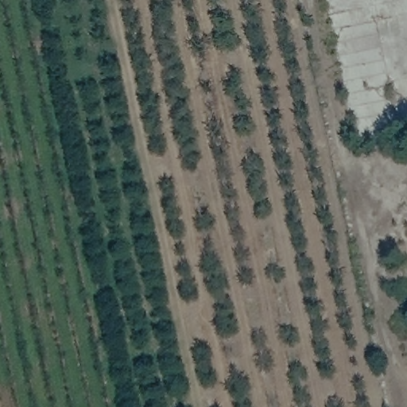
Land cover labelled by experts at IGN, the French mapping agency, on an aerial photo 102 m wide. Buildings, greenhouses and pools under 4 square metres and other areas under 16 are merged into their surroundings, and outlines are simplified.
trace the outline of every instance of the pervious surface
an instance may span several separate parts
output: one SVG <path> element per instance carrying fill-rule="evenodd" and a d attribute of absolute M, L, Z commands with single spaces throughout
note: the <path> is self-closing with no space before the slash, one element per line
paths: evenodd
<path fill-rule="evenodd" d="M 134 130 L 135 153 L 140 165 L 153 153 L 148 149 L 148 135 L 141 121 L 137 83 L 127 48 L 126 27 L 121 16 L 121 0 L 105 0 L 108 29 L 116 43 L 116 56 L 121 64 L 122 84 L 129 107 L 130 126 Z"/>

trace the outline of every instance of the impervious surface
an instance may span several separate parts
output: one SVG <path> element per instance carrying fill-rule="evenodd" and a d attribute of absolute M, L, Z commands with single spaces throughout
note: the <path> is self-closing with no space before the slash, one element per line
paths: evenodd
<path fill-rule="evenodd" d="M 359 132 L 380 132 L 396 119 L 404 119 L 407 122 L 407 0 L 328 0 L 329 16 L 334 30 L 337 35 L 337 52 L 342 64 L 342 81 L 343 86 L 347 87 L 347 103 L 350 110 L 355 113 L 356 129 Z"/>

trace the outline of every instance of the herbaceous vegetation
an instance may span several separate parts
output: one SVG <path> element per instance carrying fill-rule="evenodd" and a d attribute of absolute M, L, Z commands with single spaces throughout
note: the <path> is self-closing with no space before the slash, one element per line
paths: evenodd
<path fill-rule="evenodd" d="M 124 165 L 124 153 L 116 143 L 111 143 L 108 159 L 111 167 L 116 169 Z"/>
<path fill-rule="evenodd" d="M 19 199 L 11 199 L 11 202 L 5 202 L 5 207 L 0 208 L 0 219 L 14 219 L 14 216 L 24 210 L 24 205 Z"/>
<path fill-rule="evenodd" d="M 391 157 L 385 157 L 380 153 L 353 156 L 339 137 L 340 121 L 345 118 L 345 111 L 350 110 L 347 103 L 347 87 L 343 86 L 342 81 L 342 64 L 337 52 L 334 56 L 329 56 L 326 46 L 323 45 L 326 35 L 334 30 L 329 16 L 328 0 L 285 0 L 286 19 L 291 27 L 289 38 L 296 46 L 300 81 L 304 84 L 305 103 L 308 108 L 308 124 L 312 129 L 313 146 L 318 151 L 316 167 L 323 172 L 323 176 L 318 180 L 310 180 L 307 161 L 302 154 L 304 143 L 296 130 L 293 97 L 288 89 L 288 72 L 278 48 L 272 0 L 259 0 L 262 29 L 266 33 L 267 59 L 258 60 L 254 64 L 250 54 L 250 41 L 243 30 L 245 17 L 240 10 L 240 0 L 221 0 L 219 6 L 229 11 L 234 19 L 234 30 L 240 38 L 240 45 L 229 51 L 216 49 L 215 45 L 205 45 L 205 56 L 197 57 L 191 48 L 191 32 L 186 17 L 197 17 L 199 37 L 205 32 L 211 32 L 213 25 L 208 14 L 208 0 L 172 0 L 172 21 L 175 25 L 173 40 L 178 46 L 183 62 L 183 84 L 189 89 L 189 110 L 192 114 L 192 124 L 197 130 L 197 146 L 200 153 L 196 170 L 188 170 L 183 169 L 181 165 L 180 149 L 173 137 L 170 107 L 162 83 L 162 65 L 154 46 L 149 0 L 134 0 L 134 8 L 140 13 L 145 51 L 148 52 L 153 65 L 153 92 L 159 95 L 159 113 L 165 138 L 165 153 L 161 156 L 153 153 L 140 165 L 148 189 L 154 232 L 159 242 L 178 350 L 183 361 L 184 374 L 189 382 L 188 396 L 181 404 L 183 407 L 231 407 L 232 397 L 226 390 L 229 364 L 235 364 L 237 370 L 243 372 L 250 380 L 250 399 L 253 407 L 291 407 L 294 404 L 293 388 L 288 380 L 288 366 L 291 361 L 300 361 L 307 369 L 307 378 L 300 380 L 300 386 L 307 388 L 312 396 L 310 407 L 353 407 L 356 399 L 355 388 L 351 383 L 353 375 L 361 375 L 370 407 L 407 407 L 407 337 L 404 340 L 397 339 L 396 334 L 388 328 L 388 320 L 399 304 L 394 297 L 386 296 L 385 291 L 378 285 L 378 280 L 382 277 L 399 278 L 407 275 L 407 264 L 399 269 L 386 270 L 378 264 L 378 256 L 385 256 L 394 246 L 407 254 L 407 162 L 397 164 Z M 277 87 L 278 110 L 281 113 L 280 127 L 288 140 L 286 153 L 291 157 L 293 176 L 293 181 L 286 186 L 281 186 L 278 181 L 277 165 L 273 162 L 269 124 L 261 100 L 261 81 L 256 75 L 258 67 L 269 68 L 273 73 L 270 87 Z M 238 72 L 242 78 L 240 84 L 243 94 L 246 95 L 246 99 L 250 99 L 250 108 L 235 107 L 234 100 L 224 92 L 224 86 L 231 84 L 235 73 Z M 250 114 L 256 124 L 254 132 L 238 135 L 234 130 L 234 114 Z M 211 116 L 216 116 L 223 122 L 221 132 L 226 135 L 229 145 L 226 153 L 229 156 L 232 186 L 237 191 L 240 226 L 245 231 L 243 246 L 250 251 L 248 267 L 253 270 L 253 283 L 250 285 L 243 285 L 237 277 L 234 238 L 224 215 L 224 199 L 219 191 L 215 157 L 211 153 L 208 138 L 207 121 Z M 246 189 L 246 176 L 242 170 L 242 159 L 246 156 L 246 149 L 253 149 L 264 162 L 267 199 L 272 207 L 270 215 L 266 218 L 254 216 L 254 202 Z M 165 227 L 165 215 L 161 205 L 162 192 L 159 189 L 161 176 L 173 178 L 176 205 L 180 207 L 180 219 L 184 224 L 184 234 L 180 237 L 172 237 Z M 324 258 L 324 231 L 316 218 L 316 203 L 312 196 L 312 191 L 316 188 L 323 188 L 326 192 L 332 215 L 332 227 L 337 232 L 339 267 L 342 269 L 343 291 L 350 307 L 351 334 L 356 339 L 355 348 L 348 347 L 343 340 L 343 329 L 340 328 L 335 316 L 337 305 L 334 300 L 334 285 L 329 278 L 328 262 Z M 296 251 L 286 226 L 286 192 L 294 192 L 299 202 L 300 221 L 307 238 L 307 256 L 312 259 L 315 270 L 313 280 L 316 288 L 313 289 L 300 291 L 300 277 L 294 261 Z M 215 224 L 210 229 L 197 231 L 194 216 L 199 219 L 208 211 L 215 218 Z M 234 304 L 238 326 L 237 332 L 229 337 L 219 337 L 216 334 L 213 324 L 215 302 L 208 293 L 207 286 L 203 283 L 203 273 L 200 272 L 200 253 L 205 235 L 210 235 L 215 253 L 226 270 L 229 296 Z M 348 256 L 347 240 L 351 237 L 358 238 L 359 251 L 362 254 L 361 266 L 366 267 L 366 281 L 372 293 L 367 297 L 366 307 L 374 308 L 374 334 L 367 334 L 362 326 L 361 304 L 356 294 L 355 278 Z M 192 277 L 196 280 L 197 299 L 183 300 L 178 293 L 180 275 L 175 267 L 180 261 L 189 262 Z M 267 278 L 266 266 L 270 262 L 285 269 L 285 277 L 278 283 L 273 281 L 273 278 Z M 324 337 L 328 339 L 334 364 L 334 374 L 329 378 L 321 377 L 320 370 L 316 369 L 318 358 L 312 347 L 312 329 L 305 310 L 305 297 L 316 297 L 320 300 L 321 316 L 323 320 L 328 321 Z M 280 324 L 293 324 L 299 332 L 299 340 L 293 345 L 283 342 L 278 335 Z M 256 328 L 262 328 L 266 332 L 267 348 L 273 359 L 272 369 L 259 369 L 254 362 L 251 329 Z M 200 385 L 196 364 L 192 358 L 191 347 L 197 339 L 205 340 L 211 348 L 211 366 L 216 372 L 216 382 L 208 388 Z M 388 364 L 383 374 L 374 375 L 367 366 L 366 359 L 380 350 L 385 351 Z"/>
<path fill-rule="evenodd" d="M 126 337 L 124 340 L 127 353 L 138 356 L 157 353 L 159 342 L 153 331 L 149 332 L 149 342 L 143 348 L 135 348 L 132 339 Z"/>

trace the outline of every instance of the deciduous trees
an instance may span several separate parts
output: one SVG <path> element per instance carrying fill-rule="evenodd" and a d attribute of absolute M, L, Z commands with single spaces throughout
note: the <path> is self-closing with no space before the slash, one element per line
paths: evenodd
<path fill-rule="evenodd" d="M 283 342 L 293 345 L 299 340 L 299 332 L 293 324 L 280 324 L 278 335 Z"/>
<path fill-rule="evenodd" d="M 234 238 L 237 277 L 243 285 L 250 285 L 253 283 L 253 270 L 248 267 L 250 251 L 243 246 L 245 231 L 240 226 L 237 191 L 232 186 L 229 156 L 226 153 L 229 145 L 226 135 L 221 132 L 223 122 L 216 116 L 211 116 L 207 121 L 208 138 L 211 153 L 215 157 L 219 191 L 224 199 L 224 215 Z"/>
<path fill-rule="evenodd" d="M 197 339 L 191 347 L 192 358 L 196 364 L 200 385 L 208 388 L 216 382 L 216 372 L 211 366 L 211 348 L 205 340 Z"/>
<path fill-rule="evenodd" d="M 111 143 L 116 143 L 124 153 L 124 165 L 116 169 L 111 167 L 108 159 Z M 178 350 L 159 242 L 154 232 L 148 189 L 140 165 L 135 153 L 134 130 L 130 126 L 129 107 L 122 84 L 121 64 L 116 56 L 116 43 L 108 29 L 105 0 L 0 0 L 0 208 L 5 207 L 5 202 L 11 202 L 11 199 L 19 199 L 24 205 L 24 210 L 14 216 L 14 219 L 0 219 L 0 407 L 183 407 L 181 404 L 188 396 L 189 382 L 184 374 L 183 361 Z M 143 348 L 149 342 L 149 332 L 153 331 L 159 342 L 157 353 L 138 356 L 127 353 L 124 340 L 126 337 L 132 339 L 135 348 Z"/>
<path fill-rule="evenodd" d="M 356 294 L 361 304 L 362 326 L 367 334 L 374 334 L 374 308 L 366 307 L 367 297 L 372 293 L 366 281 L 366 267 L 361 266 L 362 254 L 359 251 L 358 238 L 351 237 L 347 240 L 348 256 L 355 278 Z"/>
<path fill-rule="evenodd" d="M 208 14 L 213 25 L 211 32 L 205 32 L 199 37 L 197 17 L 186 17 L 191 32 L 191 48 L 197 57 L 205 56 L 205 45 L 215 45 L 216 49 L 229 51 L 240 45 L 240 38 L 234 30 L 234 19 L 229 11 L 219 6 L 221 0 L 208 0 Z"/>
<path fill-rule="evenodd" d="M 197 231 L 210 229 L 215 224 L 215 218 L 208 211 L 199 219 L 194 216 Z"/>
<path fill-rule="evenodd" d="M 256 328 L 251 329 L 254 362 L 259 369 L 272 369 L 273 359 L 267 348 L 266 332 L 262 328 Z"/>
<path fill-rule="evenodd" d="M 374 375 L 383 374 L 388 364 L 385 351 L 380 350 L 366 359 L 367 366 Z"/>
<path fill-rule="evenodd" d="M 334 30 L 326 35 L 323 45 L 326 46 L 329 56 L 334 56 L 337 52 L 337 35 Z"/>
<path fill-rule="evenodd" d="M 399 304 L 388 320 L 388 328 L 396 334 L 397 339 L 404 340 L 407 337 L 407 275 L 399 278 L 382 277 L 378 280 L 378 285 L 385 291 L 386 296 L 394 297 Z"/>
<path fill-rule="evenodd" d="M 355 388 L 356 399 L 353 407 L 370 407 L 361 375 L 353 375 L 351 383 Z"/>
<path fill-rule="evenodd" d="M 246 149 L 246 156 L 242 159 L 242 170 L 246 176 L 246 189 L 254 202 L 254 216 L 266 218 L 270 215 L 272 207 L 267 199 L 264 162 L 253 149 Z"/>
<path fill-rule="evenodd" d="M 291 157 L 286 153 L 288 140 L 280 127 L 281 113 L 278 110 L 277 87 L 270 87 L 273 73 L 269 68 L 258 67 L 256 75 L 261 81 L 261 100 L 269 124 L 273 162 L 277 165 L 278 181 L 281 186 L 286 186 L 293 181 L 293 176 Z"/>
<path fill-rule="evenodd" d="M 324 337 L 328 321 L 323 320 L 321 316 L 320 300 L 316 297 L 305 297 L 305 310 L 312 329 L 312 347 L 318 358 L 316 369 L 320 370 L 321 377 L 329 378 L 334 374 L 334 364 L 328 339 Z"/>
<path fill-rule="evenodd" d="M 397 164 L 407 162 L 407 122 L 404 119 L 396 119 L 380 132 L 359 132 L 356 129 L 355 113 L 350 110 L 345 111 L 345 118 L 340 121 L 339 137 L 353 156 L 380 153 L 385 157 L 391 157 Z"/>
<path fill-rule="evenodd" d="M 234 100 L 235 107 L 250 108 L 250 99 L 246 99 L 246 95 L 243 94 L 240 84 L 242 78 L 238 72 L 235 73 L 231 84 L 224 86 L 224 92 Z"/>
<path fill-rule="evenodd" d="M 237 332 L 238 326 L 234 304 L 229 296 L 226 270 L 215 253 L 210 235 L 205 235 L 200 253 L 200 272 L 203 273 L 203 283 L 207 286 L 208 293 L 215 302 L 213 324 L 216 334 L 219 337 L 229 337 Z"/>
<path fill-rule="evenodd" d="M 137 83 L 141 121 L 148 135 L 148 149 L 153 153 L 161 156 L 165 153 L 165 138 L 159 113 L 159 95 L 153 92 L 153 65 L 148 52 L 145 51 L 140 13 L 134 8 L 134 0 L 121 0 L 121 16 L 126 27 L 127 48 Z"/>
<path fill-rule="evenodd" d="M 285 277 L 285 269 L 270 262 L 266 266 L 267 278 L 273 278 L 273 281 L 278 283 Z"/>
<path fill-rule="evenodd" d="M 256 124 L 250 114 L 234 114 L 234 130 L 238 135 L 254 132 Z"/>
<path fill-rule="evenodd" d="M 288 366 L 288 380 L 293 388 L 294 404 L 291 407 L 310 407 L 312 396 L 307 388 L 300 386 L 300 380 L 307 378 L 307 369 L 300 361 L 291 361 Z"/>
<path fill-rule="evenodd" d="M 315 270 L 312 259 L 307 256 L 307 238 L 300 221 L 299 202 L 294 192 L 286 192 L 286 226 L 296 251 L 294 261 L 300 277 L 300 291 L 313 289 L 316 288 L 313 280 Z"/>
<path fill-rule="evenodd" d="M 302 154 L 307 161 L 310 180 L 318 180 L 323 176 L 323 172 L 316 167 L 318 151 L 313 146 L 312 129 L 308 124 L 308 108 L 305 103 L 304 84 L 300 81 L 296 46 L 289 38 L 291 27 L 286 19 L 285 0 L 272 0 L 278 48 L 288 72 L 288 89 L 293 97 L 296 130 L 304 143 Z"/>
<path fill-rule="evenodd" d="M 170 107 L 173 137 L 180 149 L 181 165 L 183 169 L 188 170 L 196 170 L 200 153 L 197 146 L 197 130 L 192 124 L 192 114 L 189 110 L 189 89 L 183 84 L 183 62 L 178 46 L 173 40 L 175 25 L 172 21 L 172 0 L 149 0 L 154 46 L 162 65 L 162 83 Z"/>
<path fill-rule="evenodd" d="M 332 227 L 332 215 L 326 192 L 323 188 L 316 188 L 312 191 L 312 196 L 316 203 L 316 218 L 324 231 L 324 258 L 328 262 L 329 278 L 334 285 L 334 300 L 337 305 L 335 316 L 340 328 L 343 329 L 343 340 L 348 347 L 355 348 L 356 339 L 351 334 L 350 307 L 343 291 L 342 269 L 339 267 L 337 232 Z"/>
<path fill-rule="evenodd" d="M 232 397 L 231 407 L 253 407 L 250 399 L 250 380 L 243 372 L 237 370 L 235 364 L 229 364 L 226 390 Z"/>
<path fill-rule="evenodd" d="M 180 207 L 176 205 L 173 178 L 161 176 L 159 189 L 162 192 L 161 205 L 165 215 L 165 227 L 172 237 L 180 237 L 184 234 L 184 224 L 180 219 Z"/>
<path fill-rule="evenodd" d="M 258 60 L 267 59 L 266 33 L 262 29 L 259 0 L 240 0 L 240 10 L 245 17 L 243 30 L 250 41 L 250 54 L 254 64 Z"/>
<path fill-rule="evenodd" d="M 196 280 L 192 277 L 189 262 L 180 261 L 175 267 L 180 275 L 178 293 L 183 300 L 197 299 Z"/>
<path fill-rule="evenodd" d="M 399 269 L 407 264 L 407 254 L 394 246 L 385 256 L 378 256 L 378 264 L 386 270 Z"/>

